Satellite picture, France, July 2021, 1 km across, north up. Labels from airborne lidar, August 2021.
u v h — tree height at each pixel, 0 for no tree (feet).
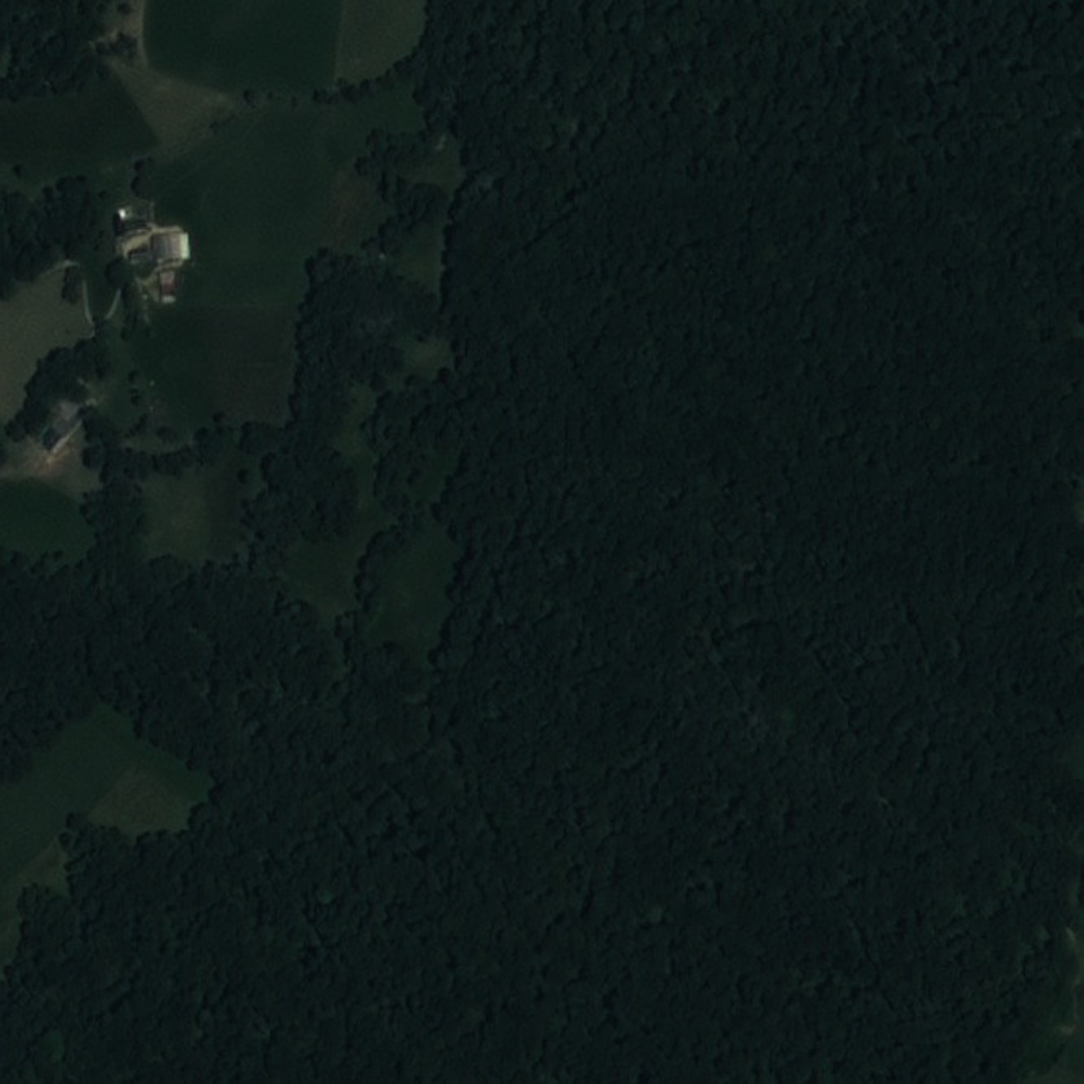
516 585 91
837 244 78
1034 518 83
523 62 88
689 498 87
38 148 0
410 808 88
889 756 98
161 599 90
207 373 0
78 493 0
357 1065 88
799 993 59
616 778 95
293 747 97
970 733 104
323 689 82
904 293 95
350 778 116
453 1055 76
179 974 103
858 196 79
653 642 84
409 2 0
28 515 0
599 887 98
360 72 0
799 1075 98
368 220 0
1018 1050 79
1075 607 56
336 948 99
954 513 86
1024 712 87
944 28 95
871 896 84
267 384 0
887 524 83
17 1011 85
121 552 75
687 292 79
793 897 80
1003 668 104
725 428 86
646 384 82
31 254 103
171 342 0
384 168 53
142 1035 109
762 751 49
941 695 87
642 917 87
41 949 72
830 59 82
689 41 99
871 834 67
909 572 75
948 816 86
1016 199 88
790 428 78
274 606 96
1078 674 94
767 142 72
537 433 59
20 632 104
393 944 76
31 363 0
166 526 0
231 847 91
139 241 0
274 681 109
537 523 84
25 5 81
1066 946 46
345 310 97
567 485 100
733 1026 80
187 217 0
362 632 55
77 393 85
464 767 83
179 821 0
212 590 92
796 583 70
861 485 87
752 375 87
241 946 94
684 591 84
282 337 0
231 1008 116
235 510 0
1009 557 84
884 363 57
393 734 101
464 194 50
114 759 0
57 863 0
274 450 80
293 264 0
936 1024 77
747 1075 86
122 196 0
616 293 82
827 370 72
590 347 102
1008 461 93
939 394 80
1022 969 24
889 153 84
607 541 80
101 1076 89
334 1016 79
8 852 0
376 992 89
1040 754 87
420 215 71
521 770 87
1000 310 87
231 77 0
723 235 83
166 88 0
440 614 0
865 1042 102
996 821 93
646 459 71
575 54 89
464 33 106
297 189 0
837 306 73
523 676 90
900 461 98
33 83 85
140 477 84
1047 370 86
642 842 82
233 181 0
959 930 79
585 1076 88
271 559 100
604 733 79
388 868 122
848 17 34
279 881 114
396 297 103
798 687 62
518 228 64
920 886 74
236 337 0
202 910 91
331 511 94
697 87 87
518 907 97
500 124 91
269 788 101
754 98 106
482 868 105
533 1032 88
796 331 72
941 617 86
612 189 87
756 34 52
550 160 77
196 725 107
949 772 87
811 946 86
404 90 0
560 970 103
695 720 65
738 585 71
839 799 73
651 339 83
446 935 97
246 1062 97
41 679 98
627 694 73
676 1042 76
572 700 66
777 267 80
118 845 50
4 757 104
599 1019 108
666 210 80
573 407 94
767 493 86
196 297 0
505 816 113
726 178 93
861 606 72
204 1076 98
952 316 95
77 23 87
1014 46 102
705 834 75
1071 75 92
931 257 84
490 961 84
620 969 102
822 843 76
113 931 88
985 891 61
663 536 87
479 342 83
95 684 105
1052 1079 0
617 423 78
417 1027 91
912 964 76
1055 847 57
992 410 102
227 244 0
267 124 0
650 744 77
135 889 93
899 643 86
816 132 103
